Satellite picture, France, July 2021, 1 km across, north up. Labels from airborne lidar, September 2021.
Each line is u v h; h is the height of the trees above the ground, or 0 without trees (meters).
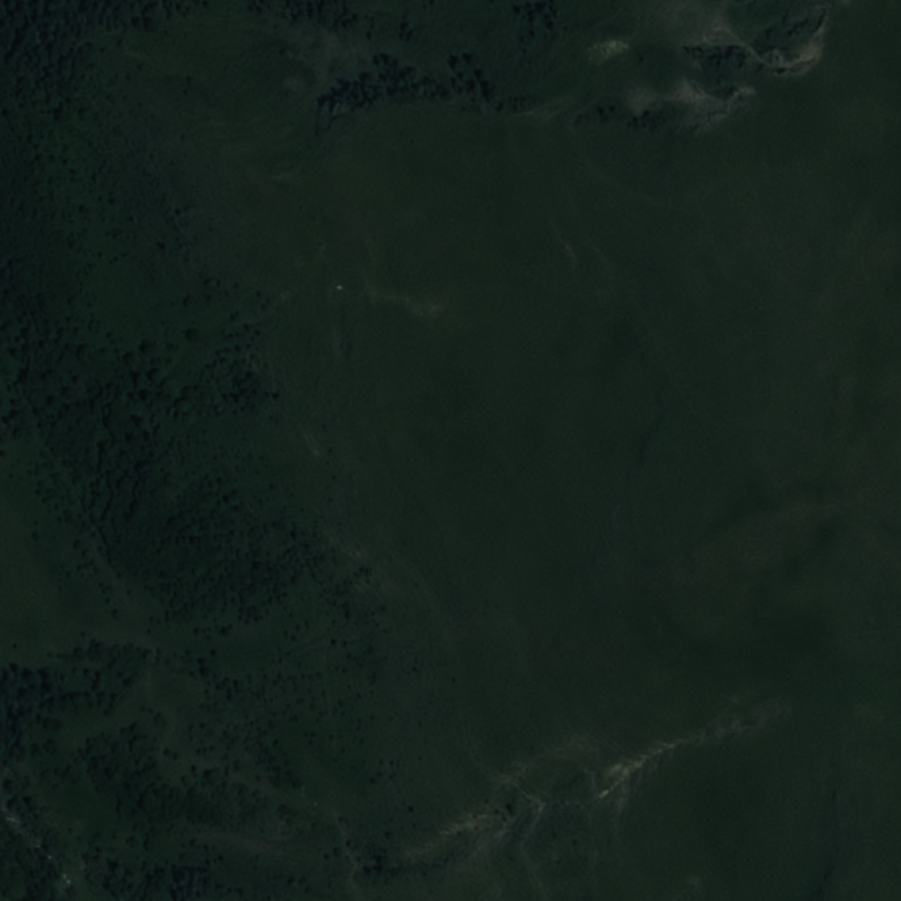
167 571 10
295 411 0
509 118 0
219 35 0
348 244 0
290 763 6
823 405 0
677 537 0
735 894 0
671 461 0
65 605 0
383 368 0
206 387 6
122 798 11
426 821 0
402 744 0
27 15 20
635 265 0
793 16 0
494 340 0
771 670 0
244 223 0
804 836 0
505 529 0
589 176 0
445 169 0
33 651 0
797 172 0
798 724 0
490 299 0
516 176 0
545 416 0
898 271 0
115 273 0
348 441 0
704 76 0
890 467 0
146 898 8
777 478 0
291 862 0
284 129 0
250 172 0
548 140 0
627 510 0
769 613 0
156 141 0
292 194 0
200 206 0
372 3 0
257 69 0
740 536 0
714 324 0
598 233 0
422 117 0
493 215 0
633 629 0
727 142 0
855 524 0
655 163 0
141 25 15
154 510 11
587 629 0
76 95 8
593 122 0
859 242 0
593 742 0
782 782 0
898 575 0
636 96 0
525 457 0
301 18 16
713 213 0
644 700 0
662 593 0
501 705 0
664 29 0
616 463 0
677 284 0
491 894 0
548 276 0
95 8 24
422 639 0
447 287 0
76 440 10
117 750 13
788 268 0
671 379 0
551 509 0
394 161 0
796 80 0
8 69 8
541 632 0
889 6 0
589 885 0
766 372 0
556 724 0
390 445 0
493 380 0
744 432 0
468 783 0
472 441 0
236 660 0
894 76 0
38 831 9
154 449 9
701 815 0
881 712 0
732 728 0
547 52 0
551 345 0
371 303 0
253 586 7
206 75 0
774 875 0
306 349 0
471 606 0
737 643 0
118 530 10
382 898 0
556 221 0
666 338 0
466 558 0
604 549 0
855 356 0
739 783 0
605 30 0
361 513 0
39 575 0
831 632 0
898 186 0
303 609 0
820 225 0
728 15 0
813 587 0
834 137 0
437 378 0
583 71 0
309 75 0
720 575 0
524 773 0
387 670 0
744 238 0
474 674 0
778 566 0
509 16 0
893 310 0
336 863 0
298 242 0
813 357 0
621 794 0
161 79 0
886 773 0
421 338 0
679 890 0
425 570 0
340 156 0
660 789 0
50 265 10
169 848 0
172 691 0
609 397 0
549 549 0
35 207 6
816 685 0
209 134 0
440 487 0
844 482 0
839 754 0
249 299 0
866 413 0
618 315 0
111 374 10
